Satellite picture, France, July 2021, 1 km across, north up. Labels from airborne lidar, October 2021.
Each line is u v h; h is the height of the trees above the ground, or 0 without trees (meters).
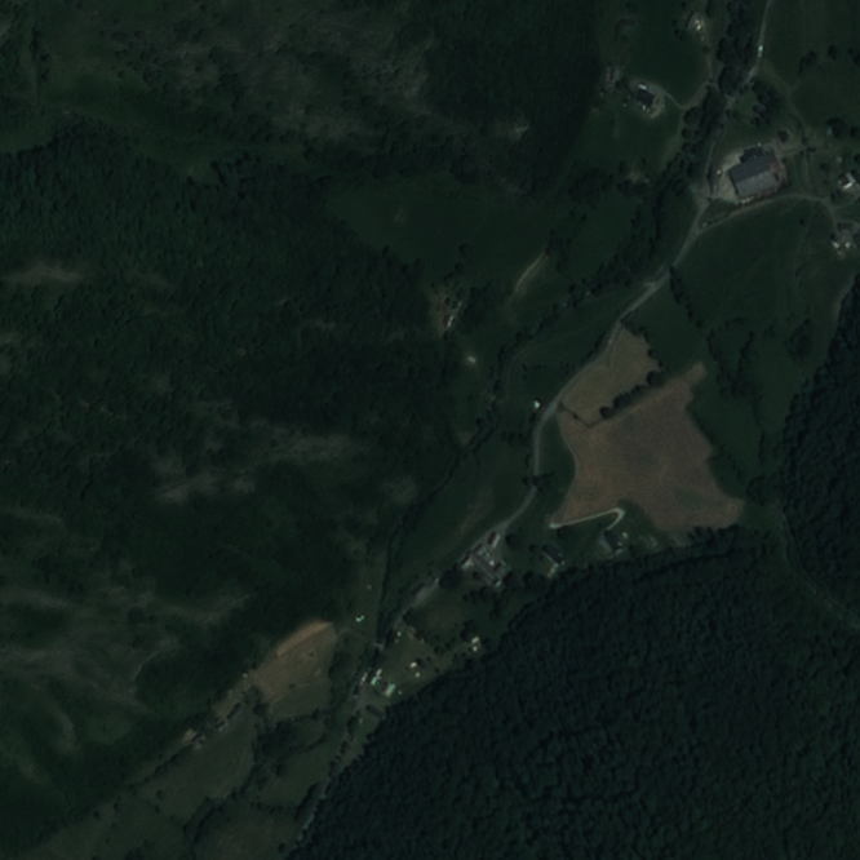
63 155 27
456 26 7
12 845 6
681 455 0
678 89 0
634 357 0
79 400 19
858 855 23
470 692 28
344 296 30
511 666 21
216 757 0
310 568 10
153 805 5
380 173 25
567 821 29
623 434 0
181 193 31
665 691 26
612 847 14
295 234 23
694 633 15
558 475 7
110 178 19
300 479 6
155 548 8
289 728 15
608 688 21
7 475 26
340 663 7
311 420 11
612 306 0
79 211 21
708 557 7
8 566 0
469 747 27
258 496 9
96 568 10
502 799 33
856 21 0
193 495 8
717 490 0
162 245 17
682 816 26
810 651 26
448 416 31
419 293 29
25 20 23
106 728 7
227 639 8
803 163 0
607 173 14
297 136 14
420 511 16
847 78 0
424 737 19
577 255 0
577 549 0
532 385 0
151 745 11
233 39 0
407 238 0
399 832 31
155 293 8
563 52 25
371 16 7
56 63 15
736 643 21
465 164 23
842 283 0
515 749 25
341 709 6
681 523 0
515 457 0
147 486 9
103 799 10
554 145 25
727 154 0
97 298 9
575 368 7
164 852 0
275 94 0
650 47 0
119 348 19
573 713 31
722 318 0
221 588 6
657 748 24
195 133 6
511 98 24
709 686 25
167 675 8
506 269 0
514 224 0
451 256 0
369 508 9
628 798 27
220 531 15
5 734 7
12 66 22
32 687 0
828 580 15
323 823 17
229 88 20
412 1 22
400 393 22
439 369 13
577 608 19
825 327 0
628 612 13
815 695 30
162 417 20
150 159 23
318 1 0
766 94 10
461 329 9
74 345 14
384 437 14
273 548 7
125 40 13
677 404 0
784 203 0
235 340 14
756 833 22
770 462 6
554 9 17
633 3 6
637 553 10
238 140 10
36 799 9
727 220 0
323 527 8
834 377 18
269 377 37
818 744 26
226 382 28
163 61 15
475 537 0
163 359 21
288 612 9
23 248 16
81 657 0
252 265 20
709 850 23
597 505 0
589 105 21
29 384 16
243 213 29
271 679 0
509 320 0
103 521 28
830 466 21
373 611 0
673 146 0
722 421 0
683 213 0
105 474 20
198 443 17
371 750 26
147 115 6
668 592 19
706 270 0
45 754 7
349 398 22
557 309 10
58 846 0
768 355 0
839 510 14
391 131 11
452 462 11
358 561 6
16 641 10
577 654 23
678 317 0
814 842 19
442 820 26
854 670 26
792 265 0
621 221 0
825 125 0
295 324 11
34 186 24
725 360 8
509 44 18
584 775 11
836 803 20
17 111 16
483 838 26
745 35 17
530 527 0
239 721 0
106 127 14
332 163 10
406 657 0
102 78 0
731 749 25
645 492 0
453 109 17
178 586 9
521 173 8
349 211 0
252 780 8
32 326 13
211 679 9
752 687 17
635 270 9
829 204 0
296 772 0
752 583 16
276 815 11
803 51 0
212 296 17
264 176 27
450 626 0
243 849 0
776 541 12
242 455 9
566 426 0
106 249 16
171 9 14
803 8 0
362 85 15
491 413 12
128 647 0
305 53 12
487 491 0
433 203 0
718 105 13
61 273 0
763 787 12
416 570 0
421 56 12
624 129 0
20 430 15
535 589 21
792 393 0
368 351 24
